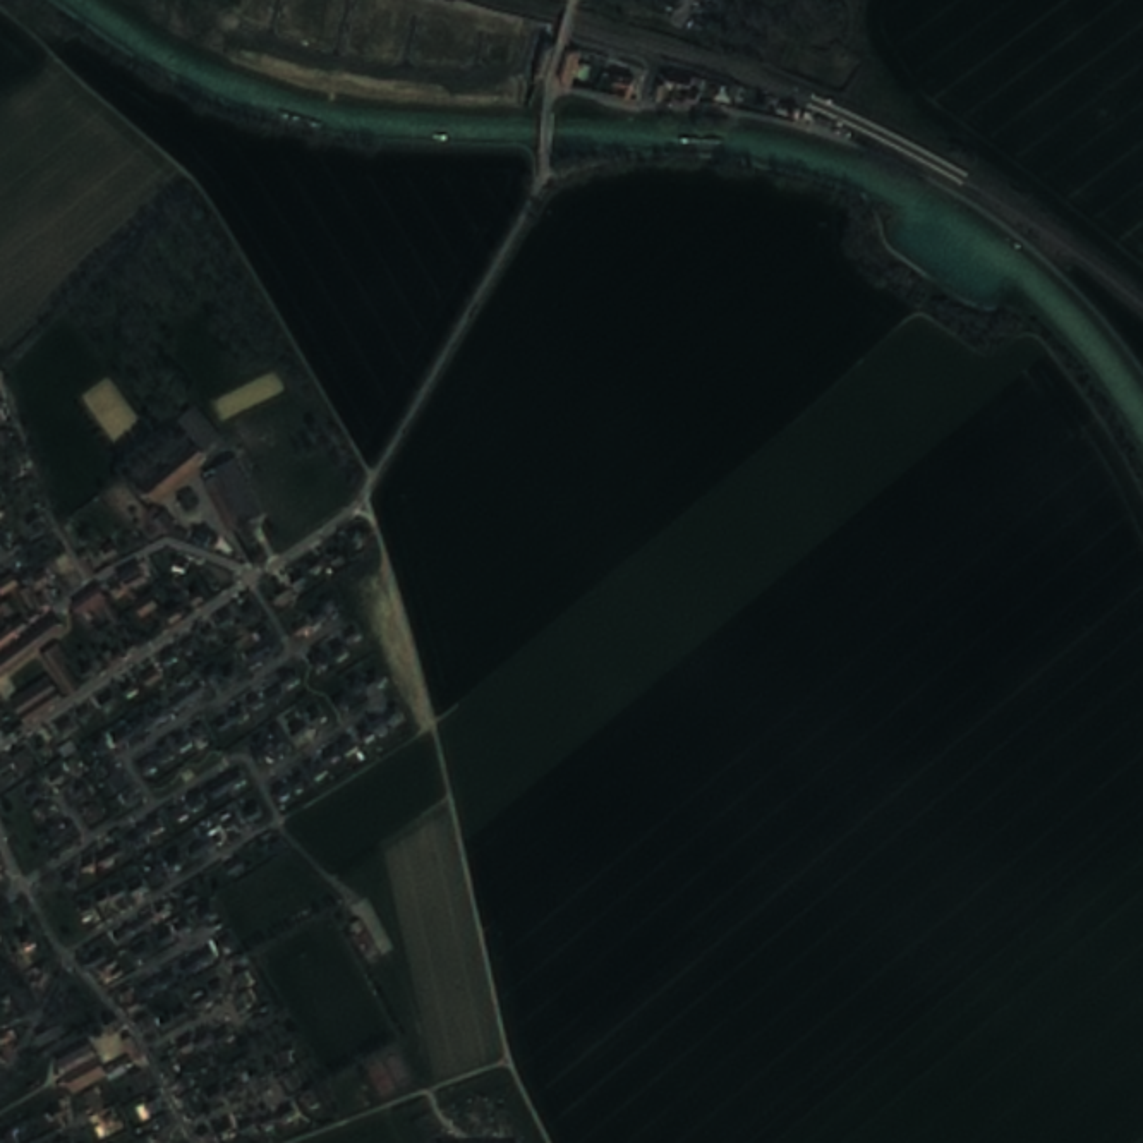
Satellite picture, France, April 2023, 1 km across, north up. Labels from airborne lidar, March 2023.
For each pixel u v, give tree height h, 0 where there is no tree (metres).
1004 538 0
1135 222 0
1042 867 0
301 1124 0
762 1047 0
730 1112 0
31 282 0
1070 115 0
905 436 0
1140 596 0
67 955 0
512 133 0
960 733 0
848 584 0
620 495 0
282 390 0
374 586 0
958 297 0
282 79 0
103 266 12
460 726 0
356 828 0
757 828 0
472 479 0
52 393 0
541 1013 0
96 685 0
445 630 0
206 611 0
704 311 0
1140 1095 0
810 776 0
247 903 0
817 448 0
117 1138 0
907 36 0
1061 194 0
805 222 0
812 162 0
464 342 0
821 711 0
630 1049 0
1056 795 0
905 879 0
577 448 0
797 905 0
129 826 0
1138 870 0
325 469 0
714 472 0
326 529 0
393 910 0
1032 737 0
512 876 0
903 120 0
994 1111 0
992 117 0
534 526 0
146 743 0
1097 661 0
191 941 0
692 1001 0
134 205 0
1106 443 0
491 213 0
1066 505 0
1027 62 0
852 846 0
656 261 0
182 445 18
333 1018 0
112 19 0
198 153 0
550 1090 0
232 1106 0
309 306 0
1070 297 0
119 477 13
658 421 0
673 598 0
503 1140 0
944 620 0
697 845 0
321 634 0
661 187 0
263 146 0
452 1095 0
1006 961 0
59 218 0
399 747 0
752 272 0
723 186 0
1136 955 0
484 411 0
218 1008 0
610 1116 0
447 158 0
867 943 0
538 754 0
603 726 0
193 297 24
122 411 0
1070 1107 0
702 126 15
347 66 0
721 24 16
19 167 0
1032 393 0
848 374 0
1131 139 0
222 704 0
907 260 0
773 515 0
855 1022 0
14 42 0
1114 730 0
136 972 0
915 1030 0
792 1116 0
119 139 0
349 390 0
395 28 0
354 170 0
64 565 0
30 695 0
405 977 0
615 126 0
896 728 0
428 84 0
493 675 0
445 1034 0
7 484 6
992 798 0
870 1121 0
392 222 0
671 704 0
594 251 0
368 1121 0
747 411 0
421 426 0
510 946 0
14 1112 0
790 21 11
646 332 0
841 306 0
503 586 0
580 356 0
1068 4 0
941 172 0
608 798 0
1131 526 0
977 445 0
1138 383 0
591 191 0
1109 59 0
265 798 0
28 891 0
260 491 0
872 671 0
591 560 0
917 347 0
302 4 0
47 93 0
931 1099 0
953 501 0
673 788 0
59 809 0
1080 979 0
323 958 0
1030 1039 0
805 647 0
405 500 0
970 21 0
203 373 0
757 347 0
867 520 0
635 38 0
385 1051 12
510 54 0
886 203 0
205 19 0
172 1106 0
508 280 0
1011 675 0
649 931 0
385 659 0
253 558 7
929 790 0
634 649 0
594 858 0
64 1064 0
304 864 0
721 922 0
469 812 0
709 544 0
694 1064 0
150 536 9
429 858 0
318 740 0
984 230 0
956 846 0
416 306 0
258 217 0
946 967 0
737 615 0
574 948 0
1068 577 0
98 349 16
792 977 0
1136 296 0
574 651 0
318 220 0
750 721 0
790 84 0
